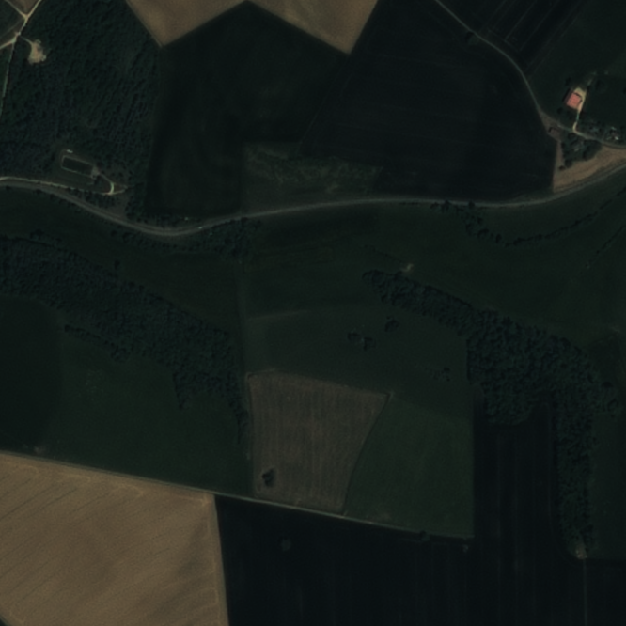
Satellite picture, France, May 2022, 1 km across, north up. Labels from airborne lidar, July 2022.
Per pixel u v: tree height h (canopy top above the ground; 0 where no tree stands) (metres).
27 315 0
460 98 0
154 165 0
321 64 0
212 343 13
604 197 0
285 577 0
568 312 0
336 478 0
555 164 0
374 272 6
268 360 0
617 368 0
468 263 0
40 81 18
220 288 0
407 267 0
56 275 14
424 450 0
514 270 0
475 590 0
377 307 0
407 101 0
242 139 0
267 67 0
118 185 0
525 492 0
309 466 0
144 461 0
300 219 0
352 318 0
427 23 0
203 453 0
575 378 28
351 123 0
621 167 0
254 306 0
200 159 0
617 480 0
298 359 0
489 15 0
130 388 0
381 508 0
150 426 0
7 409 0
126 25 6
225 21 0
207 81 0
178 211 0
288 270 0
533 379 21
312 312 0
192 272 0
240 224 6
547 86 0
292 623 0
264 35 0
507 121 0
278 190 0
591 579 0
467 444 0
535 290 0
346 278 0
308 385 0
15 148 26
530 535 0
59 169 0
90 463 0
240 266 0
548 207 0
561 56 0
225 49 0
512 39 0
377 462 0
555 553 0
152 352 17
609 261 0
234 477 0
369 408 0
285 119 0
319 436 0
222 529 0
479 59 0
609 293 0
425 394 0
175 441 0
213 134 0
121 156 7
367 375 0
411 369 0
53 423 0
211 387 17
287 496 0
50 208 0
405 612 0
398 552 0
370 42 0
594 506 15
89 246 0
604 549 0
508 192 0
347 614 0
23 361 0
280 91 0
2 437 0
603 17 0
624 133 6
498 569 0
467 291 0
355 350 0
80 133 7
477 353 7
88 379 0
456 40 0
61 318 0
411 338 0
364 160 0
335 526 0
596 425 0
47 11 9
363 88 0
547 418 0
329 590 0
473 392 0
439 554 0
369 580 0
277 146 0
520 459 0
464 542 0
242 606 0
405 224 0
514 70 0
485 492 0
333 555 0
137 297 17
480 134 0
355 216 0
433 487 0
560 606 0
